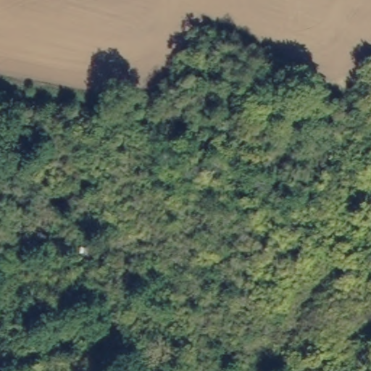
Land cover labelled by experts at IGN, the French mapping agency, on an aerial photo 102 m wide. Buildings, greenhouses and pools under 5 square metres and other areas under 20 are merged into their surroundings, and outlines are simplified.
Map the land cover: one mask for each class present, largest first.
<instances>
[{"label":"deciduous trees","instance_id":"1","mask_svg":"<svg viewBox=\"0 0 371 371\"><path fill-rule=\"evenodd\" d=\"M187 49L183 54H178L174 49V43L168 42L171 52L167 61L161 70L152 74L146 88H138V84L130 86L122 78H110L106 81V93L100 96L88 86L86 90L84 101L75 99L70 107H65L64 104H49L42 112H32L16 101L6 103V100L0 97V371H194L196 349L187 346L188 339L185 336L178 338L167 335L161 329L175 319L177 313L191 316L194 312L191 307L181 309L180 303L187 299L178 296L177 285L168 283V275L157 270H148L141 275L136 272H123V265L139 259L143 261L148 258L149 251L128 254L122 262L116 258L120 249L110 245V239L119 238V228L113 225L117 220L114 214L104 210V220H97L93 217V212H84L75 219L74 214L68 212L70 201L83 200L86 197L87 191L83 188L80 187L78 193H70L58 199H45L41 191L48 187L49 181L65 177V167L74 164L84 139L94 135L97 125L129 126L138 120H141L139 133L148 135L149 143L177 141L174 151H177V158L199 159L200 149L216 152L213 141L222 135L226 136V139L222 142V148L228 149L230 143H233L241 151L248 152L242 159H230V167H248L245 172L249 175L277 172L275 181L281 180L290 188L296 187L300 180L309 181L312 178L316 165L307 161L310 158H319L314 146L323 142L322 138H328L330 126H335V119L329 116L332 109L329 104L326 97L329 96V91L325 90L328 81L325 74L317 71L314 62L307 65L291 64L287 58L277 54L272 55L268 62L261 61L264 52L259 46L252 43L245 48L242 45H223L214 39L216 32L207 26L185 30ZM371 94V57L365 59L364 65L358 71V78L351 88V96L341 100L346 107L345 114H349L354 112L358 101Z\"/></svg>","mask_w":371,"mask_h":371},{"label":"brushwood","instance_id":"2","mask_svg":"<svg viewBox=\"0 0 371 371\"><path fill-rule=\"evenodd\" d=\"M332 109L329 116L335 119V126H330L328 138H322L323 142L314 146L319 158H310L307 161L316 165L312 178L309 181L300 180L296 187L290 188L281 180L275 181L277 172L249 175L245 172L248 167H230V159H242L248 152L241 151L233 143H230L228 149L222 148V142L226 139V136L222 135L213 141L216 152L200 149L199 159L177 158V151H174L177 141L149 143L148 135L139 133L141 120H138L129 126L97 125L94 135L84 139L74 164L65 167V177L49 181L48 187L41 191L45 199H58L70 193H78L80 187L83 188L87 191L86 197L83 200L70 201L68 212L74 214L75 219L84 212H93V217L97 220H104V210L114 214L117 220L113 225L119 228V238L110 239V245L120 249L116 258L122 262L128 254L149 251L148 258L143 261L139 259L123 265V272H136L141 275L148 270H157L168 275V283L177 285L178 296L187 299L180 303L181 309L191 307L194 312L191 316L177 313L175 319L161 329L167 335L178 338L185 336L188 339L187 346L196 349L194 371H371V94L358 101L354 112L349 114H345L346 107L341 100L329 104Z\"/></svg>","mask_w":371,"mask_h":371},{"label":"plowed land","instance_id":"3","mask_svg":"<svg viewBox=\"0 0 371 371\"><path fill-rule=\"evenodd\" d=\"M207 26L216 32L214 39L223 45H242L245 48L252 43L259 46L264 52L261 61L268 62L272 55L277 54L287 58L291 64L307 65L314 62L317 71L325 74L328 81L325 90L329 91V96L326 97L329 104L341 100L351 96V88L358 78V71L364 65L365 59L371 57V0H0V75L58 84L72 90H86L88 86L100 96L106 93V81L110 78H122L130 86L138 84V88H146L152 74L161 70L167 61L171 52L168 42L174 43V49L178 54H183L187 49L185 30Z\"/></svg>","mask_w":371,"mask_h":371},{"label":"herbaceous vegetation","instance_id":"4","mask_svg":"<svg viewBox=\"0 0 371 371\"><path fill-rule=\"evenodd\" d=\"M0 97L6 100V103L16 101L32 112H42L49 104H64L65 107H70L75 99L84 101L86 90H72L58 84L0 75Z\"/></svg>","mask_w":371,"mask_h":371}]
</instances>
